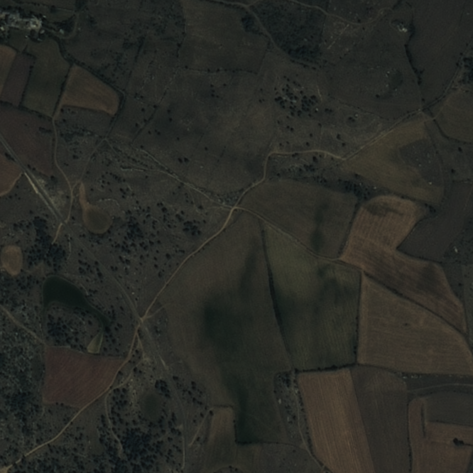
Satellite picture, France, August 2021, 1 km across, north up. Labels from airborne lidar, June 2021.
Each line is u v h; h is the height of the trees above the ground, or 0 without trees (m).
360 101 0
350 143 0
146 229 0
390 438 0
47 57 0
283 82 0
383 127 0
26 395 9
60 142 0
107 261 0
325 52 0
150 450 9
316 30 0
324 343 0
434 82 0
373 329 0
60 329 9
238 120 0
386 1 0
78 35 0
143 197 0
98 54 0
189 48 0
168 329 0
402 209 0
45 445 0
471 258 0
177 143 0
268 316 0
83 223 0
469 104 0
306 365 0
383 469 0
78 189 0
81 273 8
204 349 0
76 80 0
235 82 0
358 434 0
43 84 0
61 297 0
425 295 0
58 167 0
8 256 0
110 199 0
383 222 0
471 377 0
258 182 0
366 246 0
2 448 0
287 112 0
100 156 0
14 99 0
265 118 0
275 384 0
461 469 0
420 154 0
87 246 0
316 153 0
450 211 0
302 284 0
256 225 0
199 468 0
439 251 0
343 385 0
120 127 0
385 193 0
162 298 0
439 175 0
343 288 0
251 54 0
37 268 0
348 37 0
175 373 0
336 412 0
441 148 0
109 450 6
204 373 0
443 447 0
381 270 0
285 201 0
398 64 0
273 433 0
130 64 0
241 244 0
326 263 0
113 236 0
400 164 0
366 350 0
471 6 0
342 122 0
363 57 0
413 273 0
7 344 0
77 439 8
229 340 0
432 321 0
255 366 0
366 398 0
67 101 0
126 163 0
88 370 0
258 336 0
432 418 0
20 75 0
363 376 0
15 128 0
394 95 0
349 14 0
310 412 0
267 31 0
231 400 0
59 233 0
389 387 0
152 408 0
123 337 0
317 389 0
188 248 0
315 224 0
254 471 0
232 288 0
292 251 0
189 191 0
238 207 0
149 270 0
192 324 0
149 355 0
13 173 0
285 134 0
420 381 0
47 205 0
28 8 0
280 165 0
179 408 0
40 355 0
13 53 0
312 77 0
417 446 0
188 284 0
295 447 0
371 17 0
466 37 0
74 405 0
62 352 0
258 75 0
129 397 0
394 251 0
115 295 0
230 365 0
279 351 0
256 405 0
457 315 0
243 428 0
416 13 0
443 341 0
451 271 0
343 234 0
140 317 0
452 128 0
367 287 0
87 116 0
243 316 0
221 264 0
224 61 0
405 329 0
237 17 0
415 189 0
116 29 0
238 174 0
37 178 0
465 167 0
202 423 0
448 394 0
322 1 0
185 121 0
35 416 0
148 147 0
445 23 0
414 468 0
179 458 0
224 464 0
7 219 0
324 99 0
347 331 0
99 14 0
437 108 0
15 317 0
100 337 0
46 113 0
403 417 0
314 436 0
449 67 0
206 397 0
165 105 0
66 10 0
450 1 0
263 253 0
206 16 0
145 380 0
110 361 0
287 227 0
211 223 0
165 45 0
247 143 0
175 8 0
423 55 0
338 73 0
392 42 0
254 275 0
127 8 0
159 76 0
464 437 0
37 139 0
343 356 0
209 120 0
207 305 0
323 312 0
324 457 0
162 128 0
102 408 0
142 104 0
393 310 0
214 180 0
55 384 0
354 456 0
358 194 9
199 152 0
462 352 0
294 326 0
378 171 0
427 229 0
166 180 0
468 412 0
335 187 0
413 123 0
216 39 0
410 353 0
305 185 0
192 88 0
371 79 0
